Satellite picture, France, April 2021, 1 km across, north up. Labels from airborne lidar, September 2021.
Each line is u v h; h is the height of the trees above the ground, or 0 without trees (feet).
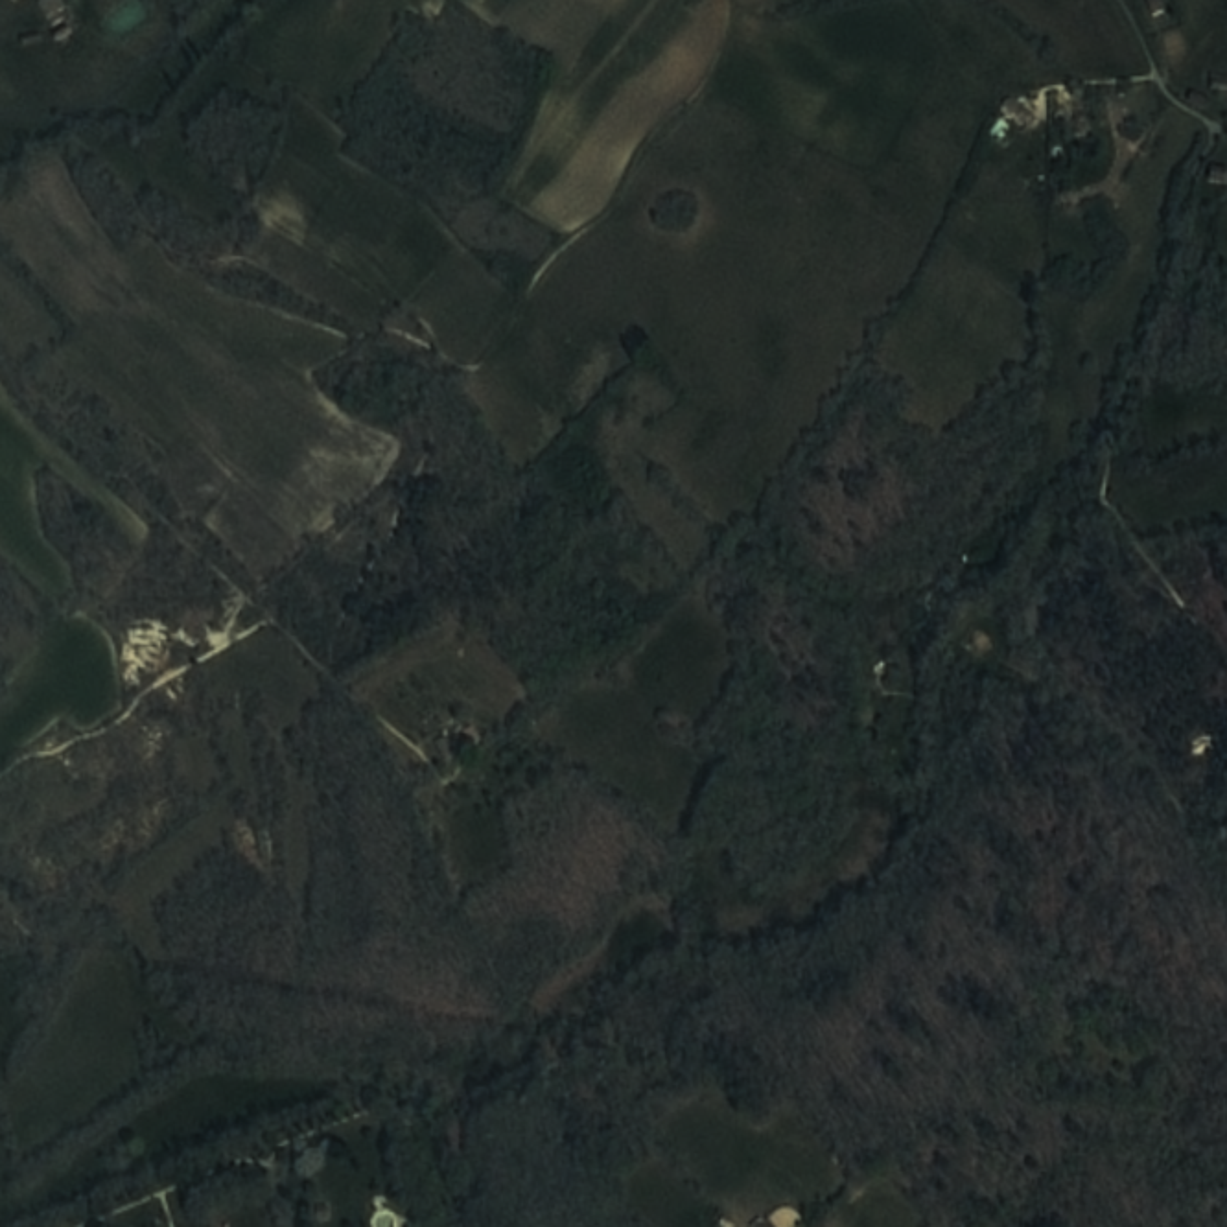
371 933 54
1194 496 0
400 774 54
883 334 48
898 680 24
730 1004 67
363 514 33
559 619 77
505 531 54
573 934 62
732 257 0
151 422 0
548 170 0
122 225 35
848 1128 73
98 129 61
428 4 0
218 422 0
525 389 0
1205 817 33
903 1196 28
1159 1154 32
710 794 71
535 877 45
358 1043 65
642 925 0
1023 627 58
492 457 58
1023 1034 71
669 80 0
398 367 42
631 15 0
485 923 61
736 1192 0
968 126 0
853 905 81
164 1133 0
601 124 0
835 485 39
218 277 29
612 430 0
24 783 35
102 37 0
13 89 0
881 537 58
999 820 57
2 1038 0
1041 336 62
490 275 27
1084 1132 56
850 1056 63
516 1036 57
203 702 35
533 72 29
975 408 38
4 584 46
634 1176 36
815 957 86
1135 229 0
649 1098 60
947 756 52
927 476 60
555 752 41
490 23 0
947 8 0
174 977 20
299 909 55
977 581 25
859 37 0
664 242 0
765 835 64
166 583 20
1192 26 0
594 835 52
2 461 0
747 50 0
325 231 0
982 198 0
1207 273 50
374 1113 72
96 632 0
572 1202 68
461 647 0
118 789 35
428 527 34
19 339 0
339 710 57
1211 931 59
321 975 58
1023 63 0
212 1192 67
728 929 0
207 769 0
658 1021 53
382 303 0
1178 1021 52
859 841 0
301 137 0
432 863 60
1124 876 60
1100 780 57
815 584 59
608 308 0
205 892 64
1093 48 0
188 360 0
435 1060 60
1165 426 0
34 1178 50
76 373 0
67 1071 0
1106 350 0
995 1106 58
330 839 35
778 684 55
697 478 0
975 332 0
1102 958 32
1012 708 64
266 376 0
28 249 0
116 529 49
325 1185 0
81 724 0
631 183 0
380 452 0
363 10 0
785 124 0
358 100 18
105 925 43
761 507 33
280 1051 74
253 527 0
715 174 0
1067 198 67
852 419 35
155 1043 43
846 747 66
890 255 0
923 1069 60
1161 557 54
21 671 0
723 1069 79
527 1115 64
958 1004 57
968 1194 57
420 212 0
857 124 0
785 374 0
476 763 78
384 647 52
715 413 0
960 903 48
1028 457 81
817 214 0
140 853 31
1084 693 67
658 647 0
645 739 0
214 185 24
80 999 0
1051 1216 33
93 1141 62
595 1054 68
